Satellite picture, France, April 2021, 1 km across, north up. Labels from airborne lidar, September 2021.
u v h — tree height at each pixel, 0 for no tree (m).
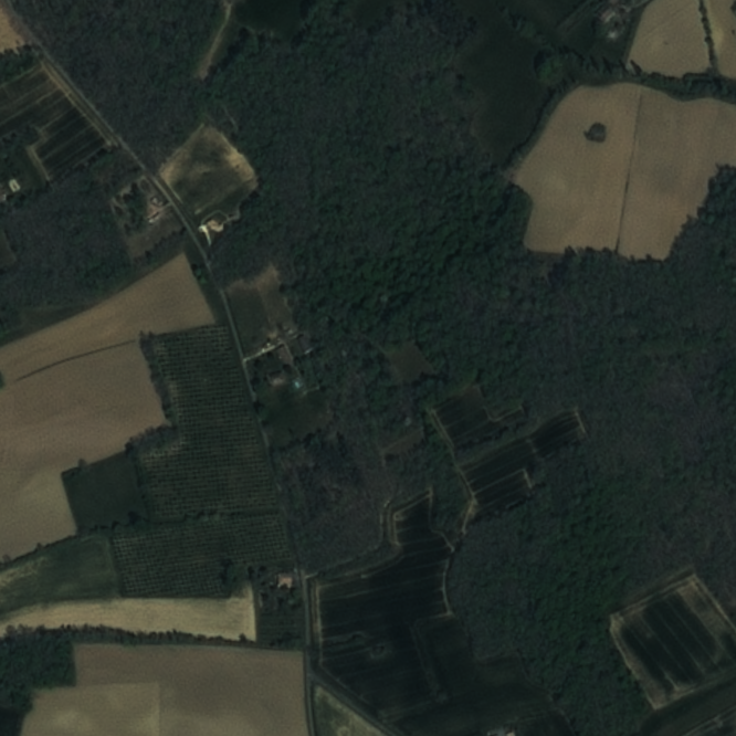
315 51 22
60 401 0
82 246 19
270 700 0
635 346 22
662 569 18
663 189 0
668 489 18
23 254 16
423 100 21
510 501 0
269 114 23
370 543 18
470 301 17
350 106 25
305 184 22
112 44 19
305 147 24
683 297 20
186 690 0
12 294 17
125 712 0
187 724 0
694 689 0
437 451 16
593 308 23
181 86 18
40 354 0
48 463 0
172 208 0
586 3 7
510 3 0
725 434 19
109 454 0
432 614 0
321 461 21
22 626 0
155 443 18
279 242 19
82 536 11
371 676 0
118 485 0
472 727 0
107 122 18
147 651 0
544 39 14
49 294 20
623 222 0
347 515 15
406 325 29
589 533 22
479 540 20
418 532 0
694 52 0
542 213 0
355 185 23
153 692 0
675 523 21
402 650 0
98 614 0
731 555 18
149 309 0
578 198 0
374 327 29
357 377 21
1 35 0
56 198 18
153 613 0
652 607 0
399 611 0
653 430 18
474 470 0
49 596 0
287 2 0
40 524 0
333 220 20
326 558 20
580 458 15
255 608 0
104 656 0
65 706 0
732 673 0
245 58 24
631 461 17
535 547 23
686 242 15
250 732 0
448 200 20
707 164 0
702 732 0
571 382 20
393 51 19
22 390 0
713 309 20
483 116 0
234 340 0
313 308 17
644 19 0
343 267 21
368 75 24
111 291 17
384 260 21
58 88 0
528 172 0
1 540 0
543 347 24
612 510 22
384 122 22
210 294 0
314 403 0
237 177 0
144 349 14
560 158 0
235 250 19
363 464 17
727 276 19
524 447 0
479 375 13
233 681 0
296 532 20
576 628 29
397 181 24
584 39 0
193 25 23
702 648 0
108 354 0
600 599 31
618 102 0
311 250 12
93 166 12
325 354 23
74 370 0
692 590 0
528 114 0
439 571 0
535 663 18
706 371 18
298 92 22
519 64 0
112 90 16
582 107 0
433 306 30
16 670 25
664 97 0
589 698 25
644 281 23
